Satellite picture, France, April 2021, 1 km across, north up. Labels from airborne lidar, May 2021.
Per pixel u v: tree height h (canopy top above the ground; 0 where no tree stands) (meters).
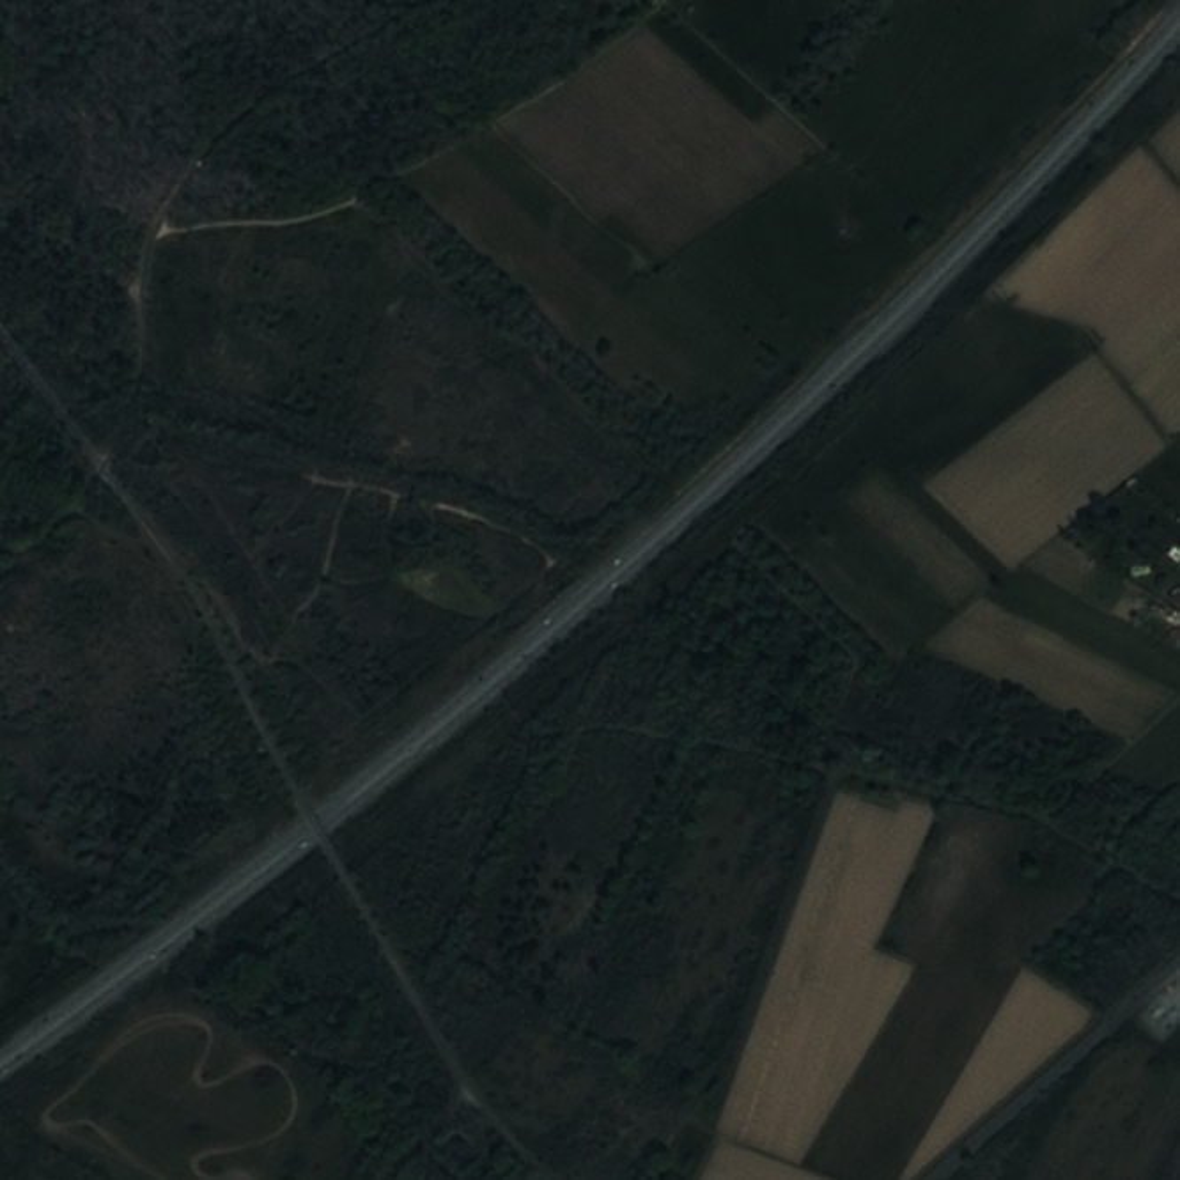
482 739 0
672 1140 0
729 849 0
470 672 0
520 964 10
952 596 0
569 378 9
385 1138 15
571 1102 0
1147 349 0
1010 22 0
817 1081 0
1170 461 0
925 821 0
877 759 13
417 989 12
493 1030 11
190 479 0
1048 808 17
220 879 0
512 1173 9
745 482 6
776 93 11
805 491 0
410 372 0
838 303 0
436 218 10
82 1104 0
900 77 0
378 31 17
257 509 7
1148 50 0
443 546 5
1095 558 0
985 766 13
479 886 13
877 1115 0
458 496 12
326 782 0
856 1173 0
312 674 0
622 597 12
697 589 10
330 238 0
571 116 0
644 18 8
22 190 7
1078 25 0
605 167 0
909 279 0
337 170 12
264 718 7
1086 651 0
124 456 12
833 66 12
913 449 0
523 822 11
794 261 0
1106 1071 0
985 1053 0
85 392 18
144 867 8
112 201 10
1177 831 10
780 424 0
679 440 8
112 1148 0
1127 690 0
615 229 0
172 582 0
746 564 8
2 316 11
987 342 0
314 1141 0
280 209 8
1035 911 0
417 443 0
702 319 0
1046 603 0
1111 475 0
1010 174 0
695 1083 13
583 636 9
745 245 0
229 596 6
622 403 12
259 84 24
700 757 13
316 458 17
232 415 13
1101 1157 0
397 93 12
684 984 0
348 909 11
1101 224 0
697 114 0
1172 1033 0
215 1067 0
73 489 18
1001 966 0
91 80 17
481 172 0
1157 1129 0
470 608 0
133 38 14
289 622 0
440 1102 19
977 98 0
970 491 0
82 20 18
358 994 13
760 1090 0
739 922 0
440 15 24
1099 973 16
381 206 13
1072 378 0
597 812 6
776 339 0
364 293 0
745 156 0
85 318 22
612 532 8
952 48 0
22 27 14
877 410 0
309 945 13
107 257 13
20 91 18
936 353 0
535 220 0
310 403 7
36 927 18
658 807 12
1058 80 0
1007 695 11
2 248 22
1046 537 0
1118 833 9
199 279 0
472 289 10
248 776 7
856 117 0
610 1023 7
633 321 0
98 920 11
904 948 0
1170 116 0
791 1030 0
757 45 0
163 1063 0
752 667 16
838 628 14
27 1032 0
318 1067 9
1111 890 13
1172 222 0
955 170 0
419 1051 12
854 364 0
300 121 15
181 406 15
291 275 0
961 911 0
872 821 0
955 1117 0
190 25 13
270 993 9
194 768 8
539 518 14
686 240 0
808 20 0
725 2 0
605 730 7
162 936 0
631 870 15
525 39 19
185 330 0
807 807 7
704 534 11
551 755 18
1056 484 0
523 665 0
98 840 7
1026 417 0
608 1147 7
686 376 0
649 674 11
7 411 10
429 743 0
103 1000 0
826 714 10
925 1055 0
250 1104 0
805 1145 0
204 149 13
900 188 0
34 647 7
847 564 0
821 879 0
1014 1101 0
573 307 0
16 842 0
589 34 11
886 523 0
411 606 0
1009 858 0
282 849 0
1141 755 0
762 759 12
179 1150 0
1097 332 0
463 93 11
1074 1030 0
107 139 14
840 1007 0
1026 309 0
